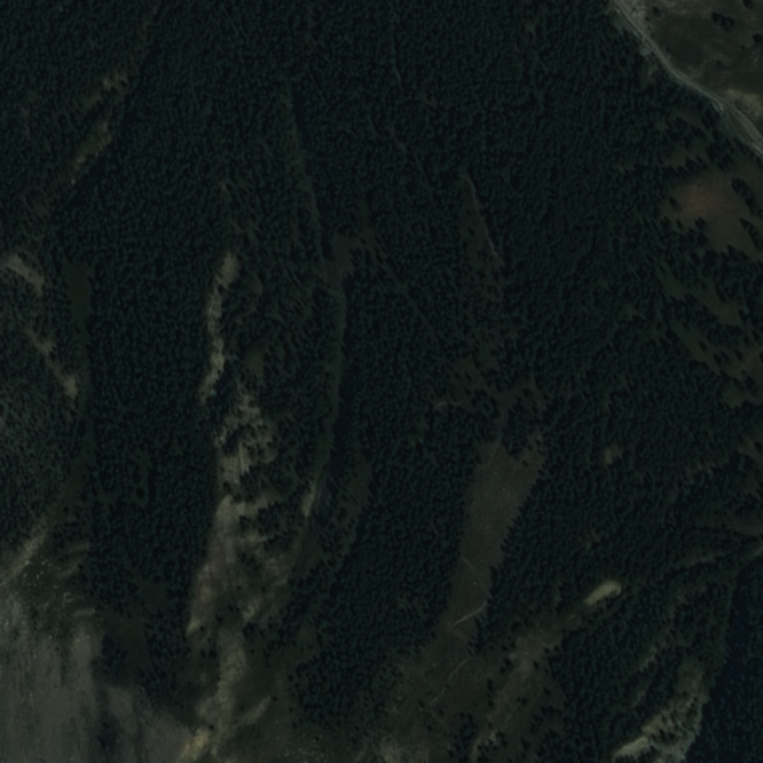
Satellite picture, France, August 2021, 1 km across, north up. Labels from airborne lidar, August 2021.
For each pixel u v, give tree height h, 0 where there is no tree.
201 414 12
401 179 22
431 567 16
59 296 16
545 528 20
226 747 0
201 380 14
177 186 18
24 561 0
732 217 0
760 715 11
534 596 19
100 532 14
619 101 20
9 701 0
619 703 13
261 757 0
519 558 16
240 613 9
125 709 0
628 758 8
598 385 25
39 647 0
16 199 21
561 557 19
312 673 9
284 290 26
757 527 0
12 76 6
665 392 19
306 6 17
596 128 20
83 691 0
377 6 23
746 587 16
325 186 14
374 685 9
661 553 14
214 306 0
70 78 13
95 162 7
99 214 11
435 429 18
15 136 11
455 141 13
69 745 0
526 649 0
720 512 9
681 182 27
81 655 0
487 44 20
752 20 0
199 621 0
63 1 20
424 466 14
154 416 19
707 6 0
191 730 0
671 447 28
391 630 13
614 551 21
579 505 18
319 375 24
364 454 0
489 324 11
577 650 15
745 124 0
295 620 9
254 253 27
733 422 24
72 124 10
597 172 21
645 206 25
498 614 15
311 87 20
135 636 0
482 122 20
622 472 23
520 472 0
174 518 15
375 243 0
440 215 20
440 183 19
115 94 15
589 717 15
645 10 0
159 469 19
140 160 16
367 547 18
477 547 0
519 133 19
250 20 12
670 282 0
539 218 23
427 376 22
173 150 9
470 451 19
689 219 0
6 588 0
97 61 14
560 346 23
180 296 14
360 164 20
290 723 0
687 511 25
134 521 17
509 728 0
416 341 20
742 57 0
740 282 26
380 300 16
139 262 17
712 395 28
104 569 11
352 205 23
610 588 0
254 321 13
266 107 16
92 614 0
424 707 12
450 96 19
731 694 15
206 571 0
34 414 7
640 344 31
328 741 0
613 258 25
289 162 10
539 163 24
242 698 0
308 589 13
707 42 0
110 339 18
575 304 27
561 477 19
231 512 0
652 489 26
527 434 9
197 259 22
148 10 15
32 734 0
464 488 16
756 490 0
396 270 20
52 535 0
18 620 0
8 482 15
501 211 21
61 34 18
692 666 0
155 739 0
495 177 23
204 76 20
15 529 11
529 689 0
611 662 17
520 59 19
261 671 0
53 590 0
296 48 15
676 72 0
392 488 16
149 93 16
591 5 9
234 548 0
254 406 12
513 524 0
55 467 10
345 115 21
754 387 21
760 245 26
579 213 29
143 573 15
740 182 0
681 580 20
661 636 11
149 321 9
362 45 19
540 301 23
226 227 15
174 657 10
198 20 16
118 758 0
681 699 15
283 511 20
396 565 17
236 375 13
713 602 22
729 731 19
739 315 0
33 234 28
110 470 18
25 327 12
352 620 13
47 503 9
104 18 21
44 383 15
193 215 22
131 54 16
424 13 19
